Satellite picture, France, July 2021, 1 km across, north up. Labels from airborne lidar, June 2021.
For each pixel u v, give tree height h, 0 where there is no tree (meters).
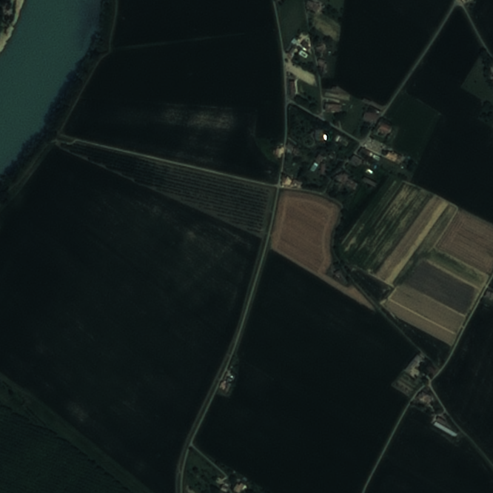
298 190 0
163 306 0
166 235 0
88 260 0
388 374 0
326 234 0
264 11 0
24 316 0
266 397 0
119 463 0
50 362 0
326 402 0
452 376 0
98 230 0
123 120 0
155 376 0
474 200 0
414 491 0
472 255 0
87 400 0
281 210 0
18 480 12
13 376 0
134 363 0
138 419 0
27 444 12
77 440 0
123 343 0
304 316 0
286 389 0
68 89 26
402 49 0
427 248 0
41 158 0
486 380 0
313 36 14
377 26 0
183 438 0
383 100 0
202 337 0
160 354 0
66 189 0
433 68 0
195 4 0
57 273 0
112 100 0
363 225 0
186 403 0
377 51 0
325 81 0
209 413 0
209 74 0
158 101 0
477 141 0
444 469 0
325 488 0
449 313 0
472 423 0
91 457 0
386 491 0
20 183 0
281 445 0
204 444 0
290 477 0
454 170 0
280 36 0
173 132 0
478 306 0
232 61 0
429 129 0
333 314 0
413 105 0
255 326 0
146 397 0
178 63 0
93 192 0
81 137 0
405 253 0
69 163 0
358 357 0
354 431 0
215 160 0
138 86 0
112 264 0
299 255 0
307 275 0
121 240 0
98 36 14
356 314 0
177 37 0
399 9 0
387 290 0
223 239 0
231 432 0
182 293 0
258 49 0
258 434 0
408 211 0
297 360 0
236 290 0
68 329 0
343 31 0
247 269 0
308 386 0
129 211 0
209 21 0
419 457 0
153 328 0
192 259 0
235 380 6
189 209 0
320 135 0
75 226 0
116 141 0
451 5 0
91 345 0
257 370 0
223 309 0
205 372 0
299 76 0
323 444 0
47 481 11
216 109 0
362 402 0
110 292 0
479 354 0
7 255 0
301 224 0
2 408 11
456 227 0
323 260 0
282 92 0
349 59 0
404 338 0
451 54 0
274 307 0
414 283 0
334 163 6
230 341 0
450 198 0
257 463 0
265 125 0
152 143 0
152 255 0
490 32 0
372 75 0
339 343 0
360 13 0
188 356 0
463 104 0
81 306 0
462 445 0
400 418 0
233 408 0
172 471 0
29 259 0
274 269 0
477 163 0
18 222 0
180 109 0
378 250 0
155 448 0
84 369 0
